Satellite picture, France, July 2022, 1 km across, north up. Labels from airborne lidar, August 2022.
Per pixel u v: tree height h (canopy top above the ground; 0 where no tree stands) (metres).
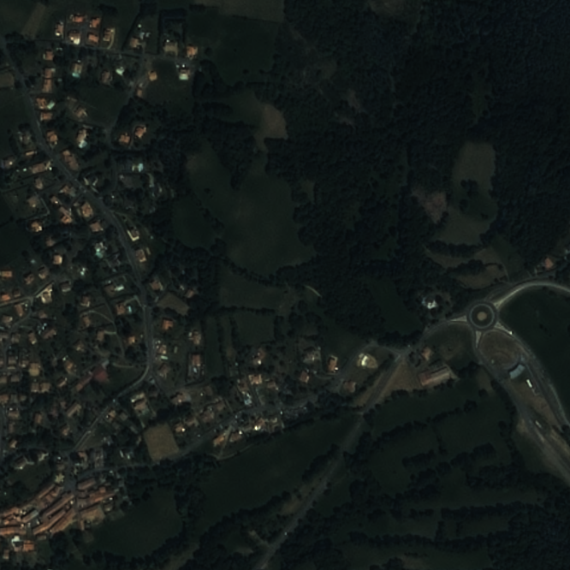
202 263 17
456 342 0
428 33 18
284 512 0
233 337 12
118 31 0
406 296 14
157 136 8
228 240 0
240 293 0
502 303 0
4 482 7
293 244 0
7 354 7
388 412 0
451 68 22
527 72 17
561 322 0
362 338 9
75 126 10
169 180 13
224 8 0
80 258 13
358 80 16
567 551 22
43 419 0
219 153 18
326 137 22
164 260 18
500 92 15
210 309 13
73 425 0
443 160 16
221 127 22
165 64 0
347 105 18
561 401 0
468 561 0
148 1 17
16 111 0
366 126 19
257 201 0
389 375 0
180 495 13
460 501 0
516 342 0
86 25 0
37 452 9
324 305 14
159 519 0
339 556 15
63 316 12
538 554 19
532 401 0
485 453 21
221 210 0
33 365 0
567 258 11
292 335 13
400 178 6
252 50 0
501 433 7
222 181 0
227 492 0
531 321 0
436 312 13
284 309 0
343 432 0
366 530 0
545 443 0
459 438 0
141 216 16
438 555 0
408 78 20
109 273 6
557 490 12
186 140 12
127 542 0
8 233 0
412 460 16
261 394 0
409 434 13
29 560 0
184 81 0
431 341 0
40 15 0
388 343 17
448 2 18
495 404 0
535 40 20
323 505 0
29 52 17
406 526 0
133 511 0
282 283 12
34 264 0
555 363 0
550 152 22
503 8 23
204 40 0
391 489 0
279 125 0
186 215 0
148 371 0
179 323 5
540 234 19
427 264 16
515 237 18
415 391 7
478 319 0
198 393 0
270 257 0
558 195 20
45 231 13
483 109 0
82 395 14
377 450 17
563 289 0
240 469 0
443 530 13
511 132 21
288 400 14
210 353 0
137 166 0
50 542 15
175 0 0
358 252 20
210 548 25
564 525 8
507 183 15
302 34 7
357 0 23
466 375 11
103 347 9
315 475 15
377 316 25
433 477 16
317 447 0
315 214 17
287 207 0
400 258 22
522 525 13
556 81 20
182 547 21
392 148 30
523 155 19
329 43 13
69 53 11
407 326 0
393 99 20
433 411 0
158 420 15
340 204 18
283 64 14
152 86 0
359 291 25
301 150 22
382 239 18
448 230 0
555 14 24
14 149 12
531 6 19
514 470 15
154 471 12
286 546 20
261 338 0
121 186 16
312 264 12
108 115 0
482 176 0
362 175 16
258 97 11
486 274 0
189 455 7
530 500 0
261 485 0
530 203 22
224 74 0
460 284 7
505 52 18
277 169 18
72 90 16
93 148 12
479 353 0
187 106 0
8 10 0
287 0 14
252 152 13
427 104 22
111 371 6
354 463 24
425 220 14
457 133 25
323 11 13
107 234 12
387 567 7
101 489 0
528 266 12
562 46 16
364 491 21
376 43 28
